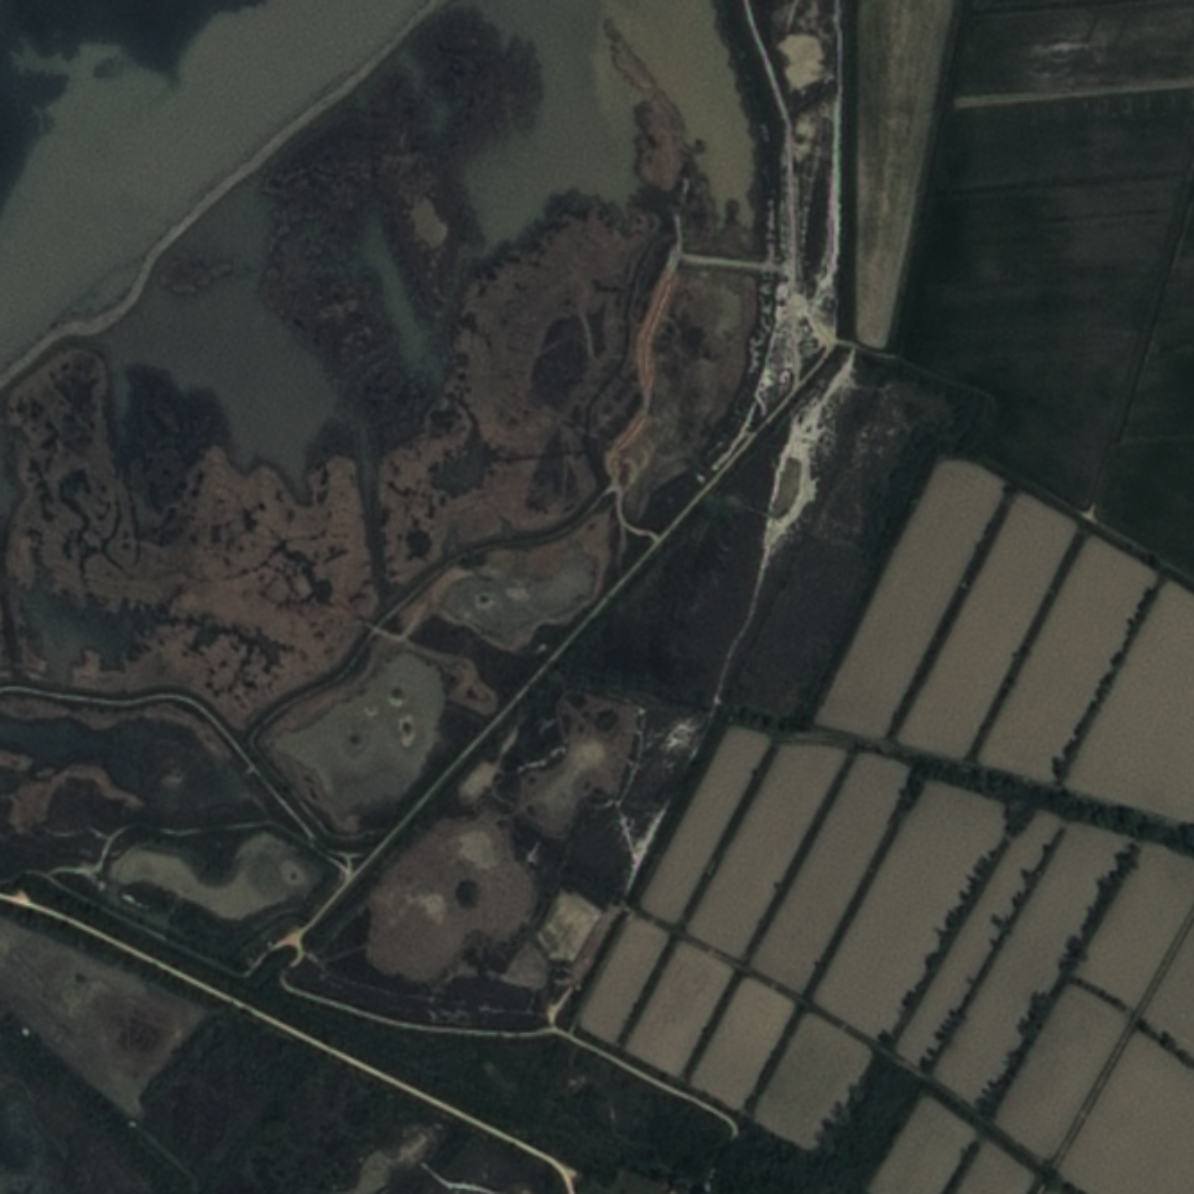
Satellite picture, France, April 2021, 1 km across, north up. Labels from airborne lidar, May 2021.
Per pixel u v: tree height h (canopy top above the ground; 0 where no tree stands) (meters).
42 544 0
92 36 0
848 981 0
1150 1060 0
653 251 0
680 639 0
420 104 0
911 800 8
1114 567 0
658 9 0
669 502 0
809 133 0
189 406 0
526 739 0
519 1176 0
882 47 0
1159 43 0
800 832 0
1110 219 0
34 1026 0
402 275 0
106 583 0
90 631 0
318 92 0
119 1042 0
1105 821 14
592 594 0
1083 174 0
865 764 0
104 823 0
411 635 0
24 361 0
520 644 0
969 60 0
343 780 0
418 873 0
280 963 8
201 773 0
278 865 0
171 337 0
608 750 0
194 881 0
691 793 0
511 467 0
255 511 0
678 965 0
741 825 0
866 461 0
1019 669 0
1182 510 0
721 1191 7
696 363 0
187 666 0
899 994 0
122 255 0
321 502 0
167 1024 0
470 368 0
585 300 0
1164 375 0
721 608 0
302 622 0
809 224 0
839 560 0
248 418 0
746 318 0
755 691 0
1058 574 0
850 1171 8
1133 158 0
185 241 0
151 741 0
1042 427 0
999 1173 0
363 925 0
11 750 0
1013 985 0
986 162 0
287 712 0
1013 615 0
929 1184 0
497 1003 0
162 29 0
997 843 0
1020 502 0
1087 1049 0
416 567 0
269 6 0
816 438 0
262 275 0
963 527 0
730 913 0
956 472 0
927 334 0
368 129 0
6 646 0
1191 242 0
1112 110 0
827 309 0
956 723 0
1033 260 0
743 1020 0
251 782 0
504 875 0
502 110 0
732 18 0
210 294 0
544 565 0
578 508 0
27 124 0
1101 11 0
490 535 0
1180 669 0
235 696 0
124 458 0
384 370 0
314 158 0
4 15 0
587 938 0
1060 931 0
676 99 0
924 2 0
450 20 0
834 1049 0
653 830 0
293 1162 0
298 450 0
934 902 0
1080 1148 0
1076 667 0
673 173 0
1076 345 0
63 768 0
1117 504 0
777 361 0
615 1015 0
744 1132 9
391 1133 0
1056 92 0
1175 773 0
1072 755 11
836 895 0
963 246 0
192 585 0
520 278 0
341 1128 0
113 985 0
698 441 0
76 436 0
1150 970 0
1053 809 6
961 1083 0
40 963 0
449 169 0
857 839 0
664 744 0
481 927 0
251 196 0
